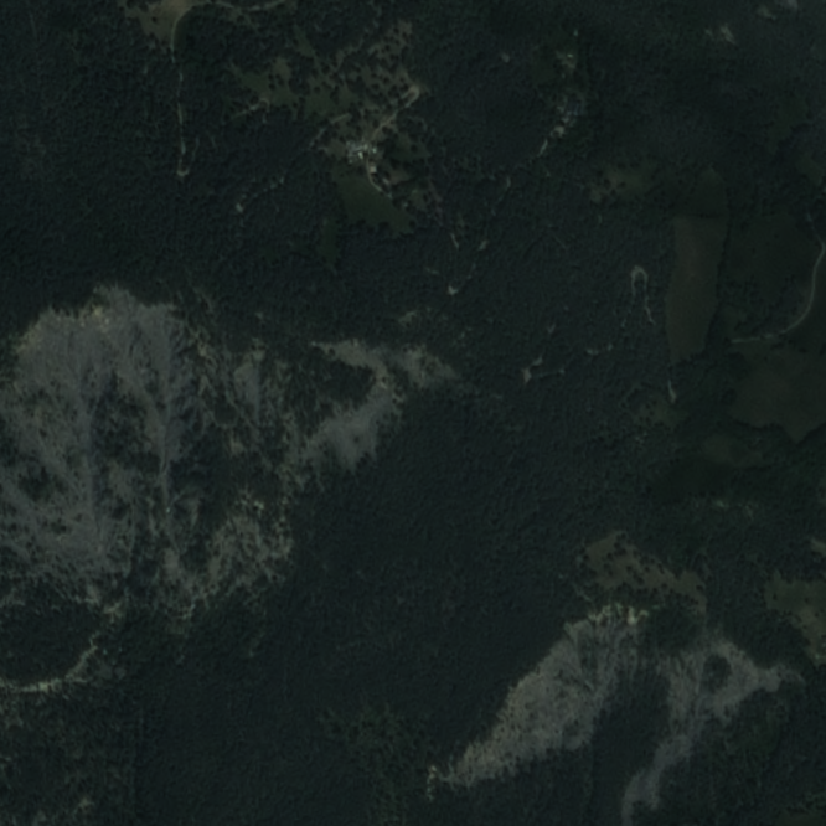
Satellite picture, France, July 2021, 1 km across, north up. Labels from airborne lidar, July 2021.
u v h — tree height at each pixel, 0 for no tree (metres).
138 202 8
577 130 9
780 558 13
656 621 8
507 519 10
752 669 0
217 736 15
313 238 17
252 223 14
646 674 9
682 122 17
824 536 8
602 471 5
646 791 0
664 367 14
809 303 0
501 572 14
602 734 20
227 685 12
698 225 0
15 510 12
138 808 12
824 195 13
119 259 9
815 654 0
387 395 0
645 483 8
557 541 10
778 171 20
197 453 16
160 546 11
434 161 13
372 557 11
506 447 14
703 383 16
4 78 10
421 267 10
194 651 11
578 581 7
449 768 10
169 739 13
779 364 0
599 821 16
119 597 16
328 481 12
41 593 17
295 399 13
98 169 10
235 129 18
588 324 16
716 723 13
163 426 0
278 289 18
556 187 6
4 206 12
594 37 20
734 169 18
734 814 8
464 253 11
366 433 0
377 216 0
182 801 13
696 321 0
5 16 12
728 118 24
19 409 0
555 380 9
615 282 17
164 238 16
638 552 7
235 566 12
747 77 21
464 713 13
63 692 10
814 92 16
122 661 16
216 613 8
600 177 11
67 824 11
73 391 0
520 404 13
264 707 13
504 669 12
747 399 0
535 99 20
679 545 13
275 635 14
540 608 13
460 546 16
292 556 12
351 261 15
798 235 0
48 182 11
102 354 0
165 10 0
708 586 9
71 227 7
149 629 12
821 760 14
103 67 17
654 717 15
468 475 15
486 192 15
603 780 17
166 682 12
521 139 16
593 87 10
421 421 10
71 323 0
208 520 11
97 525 0
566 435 14
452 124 10
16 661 18
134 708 18
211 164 15
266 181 12
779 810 9
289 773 8
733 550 10
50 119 7
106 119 9
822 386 0
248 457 7
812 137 17
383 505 11
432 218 14
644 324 11
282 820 11
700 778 12
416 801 8
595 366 17
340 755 11
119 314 0
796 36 9
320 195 17
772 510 7
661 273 15
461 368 8
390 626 12
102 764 14
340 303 17
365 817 12
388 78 8
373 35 13
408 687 14
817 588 0
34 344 0
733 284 10
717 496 7
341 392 10
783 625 11
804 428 0
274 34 7
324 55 7
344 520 16
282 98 0
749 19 16
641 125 17
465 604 12
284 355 13
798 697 18
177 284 10
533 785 20
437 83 13
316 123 6
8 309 14
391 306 12
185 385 0
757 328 11
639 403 11
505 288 13
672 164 8
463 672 11
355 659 14
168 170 10
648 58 15
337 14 13
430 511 17
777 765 19
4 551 11
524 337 9
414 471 8
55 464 0
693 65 17
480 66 13
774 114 14
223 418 14
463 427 11
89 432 0
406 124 7
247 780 10
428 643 12
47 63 8
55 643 18
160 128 12
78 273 15
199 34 14
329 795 13
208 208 19
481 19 17
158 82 14
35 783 12
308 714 14
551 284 19
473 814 14
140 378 0
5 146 12
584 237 18
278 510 15
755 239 0
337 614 14
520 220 14
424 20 7
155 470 15
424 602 13
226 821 11
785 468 12
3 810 10
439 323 9
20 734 15
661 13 16
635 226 15
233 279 14
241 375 0
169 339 0
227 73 15
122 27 14
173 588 13
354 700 12
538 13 16
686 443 11
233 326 6
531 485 12
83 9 13
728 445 0
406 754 15
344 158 7
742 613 8
